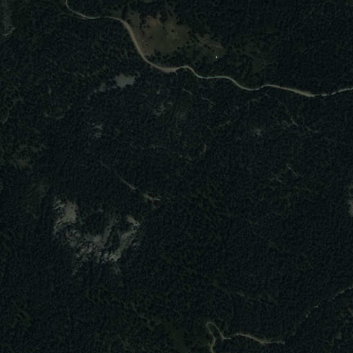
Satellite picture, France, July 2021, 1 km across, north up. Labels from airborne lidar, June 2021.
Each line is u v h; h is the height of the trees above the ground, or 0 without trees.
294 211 12
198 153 28
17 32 14
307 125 14
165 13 16
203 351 6
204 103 13
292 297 14
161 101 11
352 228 11
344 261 20
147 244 19
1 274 27
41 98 13
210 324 0
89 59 19
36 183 11
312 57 14
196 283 32
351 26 10
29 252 25
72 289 19
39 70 15
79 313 19
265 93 12
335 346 15
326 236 20
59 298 24
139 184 22
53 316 20
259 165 17
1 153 10
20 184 23
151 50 0
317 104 14
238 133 13
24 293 24
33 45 13
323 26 20
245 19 27
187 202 26
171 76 16
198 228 28
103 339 17
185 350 0
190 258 24
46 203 20
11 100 19
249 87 11
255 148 22
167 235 22
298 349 25
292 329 29
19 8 11
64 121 9
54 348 24
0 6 8
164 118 14
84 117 16
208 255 11
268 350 17
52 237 15
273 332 26
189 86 13
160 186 19
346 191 16
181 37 0
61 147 13
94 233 14
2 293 26
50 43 24
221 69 9
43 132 13
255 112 9
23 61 24
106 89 7
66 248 12
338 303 19
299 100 10
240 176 27
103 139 11
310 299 17
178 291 21
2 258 19
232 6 26
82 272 19
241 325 22
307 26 18
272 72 14
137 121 7
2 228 25
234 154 11
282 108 11
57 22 21
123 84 0
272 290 13
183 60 7
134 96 15
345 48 23
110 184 22
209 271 27
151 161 21
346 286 16
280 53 21
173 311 23
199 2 27
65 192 22
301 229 28
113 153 16
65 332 24
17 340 28
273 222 20
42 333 24
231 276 23
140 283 23
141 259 21
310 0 14
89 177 10
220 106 12
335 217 19
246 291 21
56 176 22
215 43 0
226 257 11
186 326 15
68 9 22
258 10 26
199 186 30
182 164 7
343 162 14
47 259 22
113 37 25
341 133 21
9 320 24
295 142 9
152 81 9
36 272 21
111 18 8
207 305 12
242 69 11
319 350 22
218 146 29
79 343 16
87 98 25
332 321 17
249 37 11
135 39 0
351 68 18
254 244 23
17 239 24
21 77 23
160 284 29
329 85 12
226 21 23
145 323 28
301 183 18
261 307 16
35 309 29
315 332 13
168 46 0
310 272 19
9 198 29
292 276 19
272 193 8
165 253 8
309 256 23
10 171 32
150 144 15
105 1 11
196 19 14
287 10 24
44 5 6
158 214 26
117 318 22
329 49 17
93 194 22
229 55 6
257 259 21
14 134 19
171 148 17
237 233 26
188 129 16
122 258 7
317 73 8
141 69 22
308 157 24
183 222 24
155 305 16
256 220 20
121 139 23
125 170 12
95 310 25
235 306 19
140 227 7
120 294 24
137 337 11
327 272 26
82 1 6
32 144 24
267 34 12
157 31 0
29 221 19
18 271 25
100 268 7
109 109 16
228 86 11
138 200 32
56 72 20
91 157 13
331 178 26
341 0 17
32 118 29
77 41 24
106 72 24
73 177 23
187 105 7
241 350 19
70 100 6
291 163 19
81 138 14
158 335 11
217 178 25
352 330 17
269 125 16
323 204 9
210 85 7
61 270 19
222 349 9
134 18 0
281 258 23
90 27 23
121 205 23
